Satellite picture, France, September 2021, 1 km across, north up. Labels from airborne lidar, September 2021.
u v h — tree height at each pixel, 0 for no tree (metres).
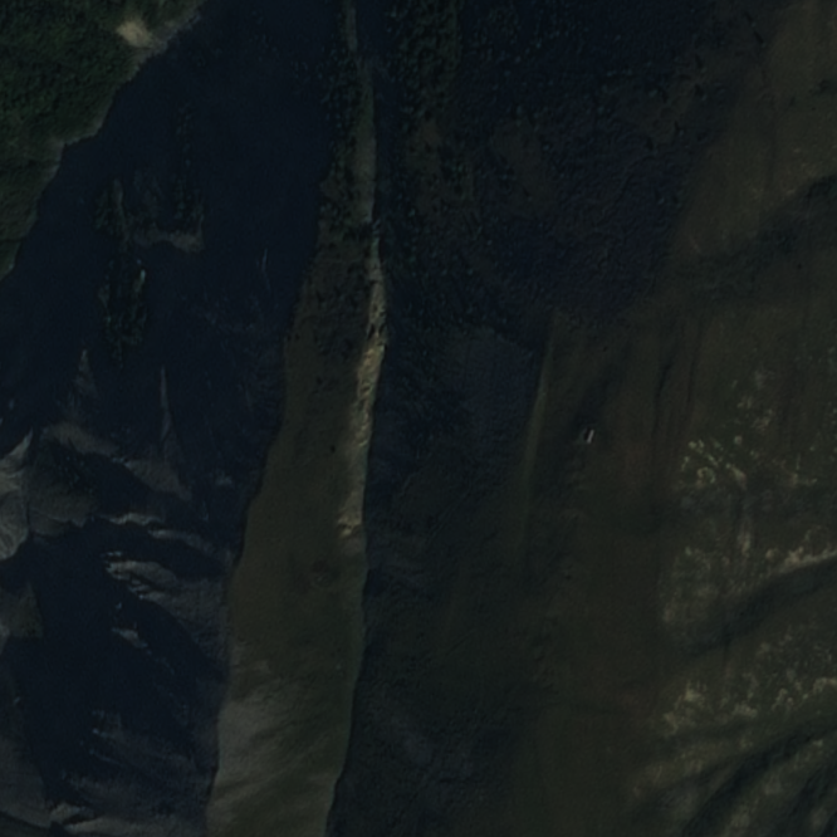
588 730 0
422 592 0
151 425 0
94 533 0
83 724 0
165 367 0
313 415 0
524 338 0
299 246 0
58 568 0
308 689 0
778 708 0
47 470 0
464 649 0
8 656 0
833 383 0
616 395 0
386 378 0
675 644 0
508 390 0
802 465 0
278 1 0
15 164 7
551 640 0
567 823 0
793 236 0
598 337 0
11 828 0
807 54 0
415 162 0
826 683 0
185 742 0
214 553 0
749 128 0
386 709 0
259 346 0
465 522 0
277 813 0
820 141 0
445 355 0
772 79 0
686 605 0
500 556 0
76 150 0
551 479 0
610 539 0
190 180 7
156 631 0
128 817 0
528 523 0
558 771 0
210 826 0
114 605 0
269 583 0
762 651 0
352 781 0
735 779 0
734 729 0
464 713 0
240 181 0
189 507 0
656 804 0
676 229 0
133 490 0
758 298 0
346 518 0
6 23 11
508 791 0
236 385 0
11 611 0
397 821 0
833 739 0
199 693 0
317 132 0
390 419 0
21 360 0
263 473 0
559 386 0
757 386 0
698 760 0
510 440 0
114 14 12
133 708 0
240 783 0
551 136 0
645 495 0
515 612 0
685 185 0
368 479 0
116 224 10
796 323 0
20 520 0
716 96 0
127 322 9
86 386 0
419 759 0
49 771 0
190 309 0
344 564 0
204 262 0
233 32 9
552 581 0
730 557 0
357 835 0
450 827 0
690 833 0
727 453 0
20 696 0
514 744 0
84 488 7
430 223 0
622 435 0
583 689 0
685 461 0
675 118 0
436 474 0
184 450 0
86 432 0
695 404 0
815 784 0
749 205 0
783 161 0
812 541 0
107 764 0
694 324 0
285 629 0
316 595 0
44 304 0
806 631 0
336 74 10
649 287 0
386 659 0
